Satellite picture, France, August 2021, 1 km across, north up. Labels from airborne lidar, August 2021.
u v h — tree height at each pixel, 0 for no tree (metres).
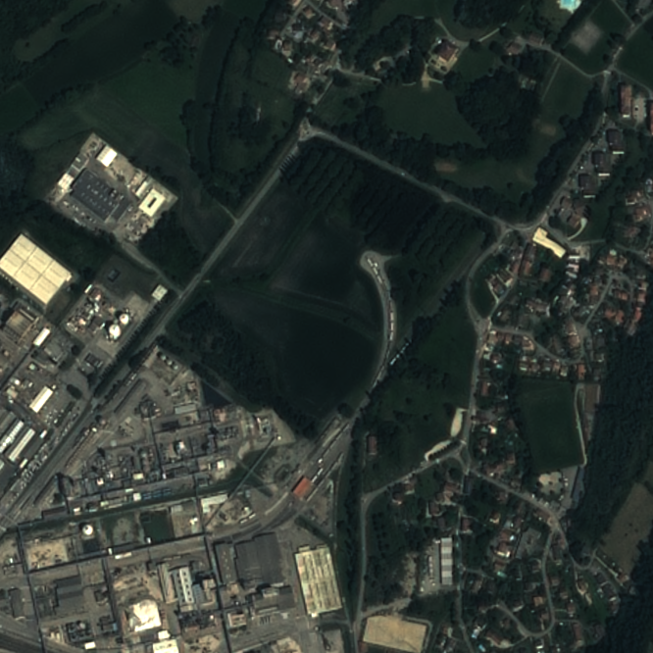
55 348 0
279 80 0
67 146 0
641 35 0
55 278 0
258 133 11
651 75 0
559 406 0
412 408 0
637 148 0
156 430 0
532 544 0
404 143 18
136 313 0
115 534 0
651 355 14
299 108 13
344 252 0
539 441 0
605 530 7
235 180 10
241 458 0
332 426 0
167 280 0
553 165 25
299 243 0
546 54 15
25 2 10
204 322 25
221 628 0
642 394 7
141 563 0
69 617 0
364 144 24
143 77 0
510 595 7
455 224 30
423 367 12
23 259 0
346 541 0
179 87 0
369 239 16
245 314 0
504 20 10
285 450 0
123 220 0
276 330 0
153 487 0
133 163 12
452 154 21
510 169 0
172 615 0
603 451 13
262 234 0
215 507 0
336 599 0
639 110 0
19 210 24
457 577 11
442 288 0
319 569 0
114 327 0
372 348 0
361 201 12
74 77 0
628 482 6
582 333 0
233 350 13
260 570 0
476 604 7
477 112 24
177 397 0
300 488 0
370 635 0
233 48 11
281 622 0
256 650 0
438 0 0
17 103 0
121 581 0
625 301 8
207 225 0
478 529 20
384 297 0
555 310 15
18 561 0
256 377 15
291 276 0
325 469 0
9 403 0
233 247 0
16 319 0
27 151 12
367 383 0
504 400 10
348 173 28
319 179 20
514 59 12
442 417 0
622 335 13
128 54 0
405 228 12
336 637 0
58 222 21
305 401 0
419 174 25
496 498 11
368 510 0
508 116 28
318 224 0
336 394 0
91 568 0
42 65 16
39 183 0
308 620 0
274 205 0
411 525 9
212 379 18
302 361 0
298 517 0
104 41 0
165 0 0
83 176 0
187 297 0
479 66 0
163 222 17
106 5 12
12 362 0
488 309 0
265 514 0
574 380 12
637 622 16
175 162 0
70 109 0
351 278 0
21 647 0
